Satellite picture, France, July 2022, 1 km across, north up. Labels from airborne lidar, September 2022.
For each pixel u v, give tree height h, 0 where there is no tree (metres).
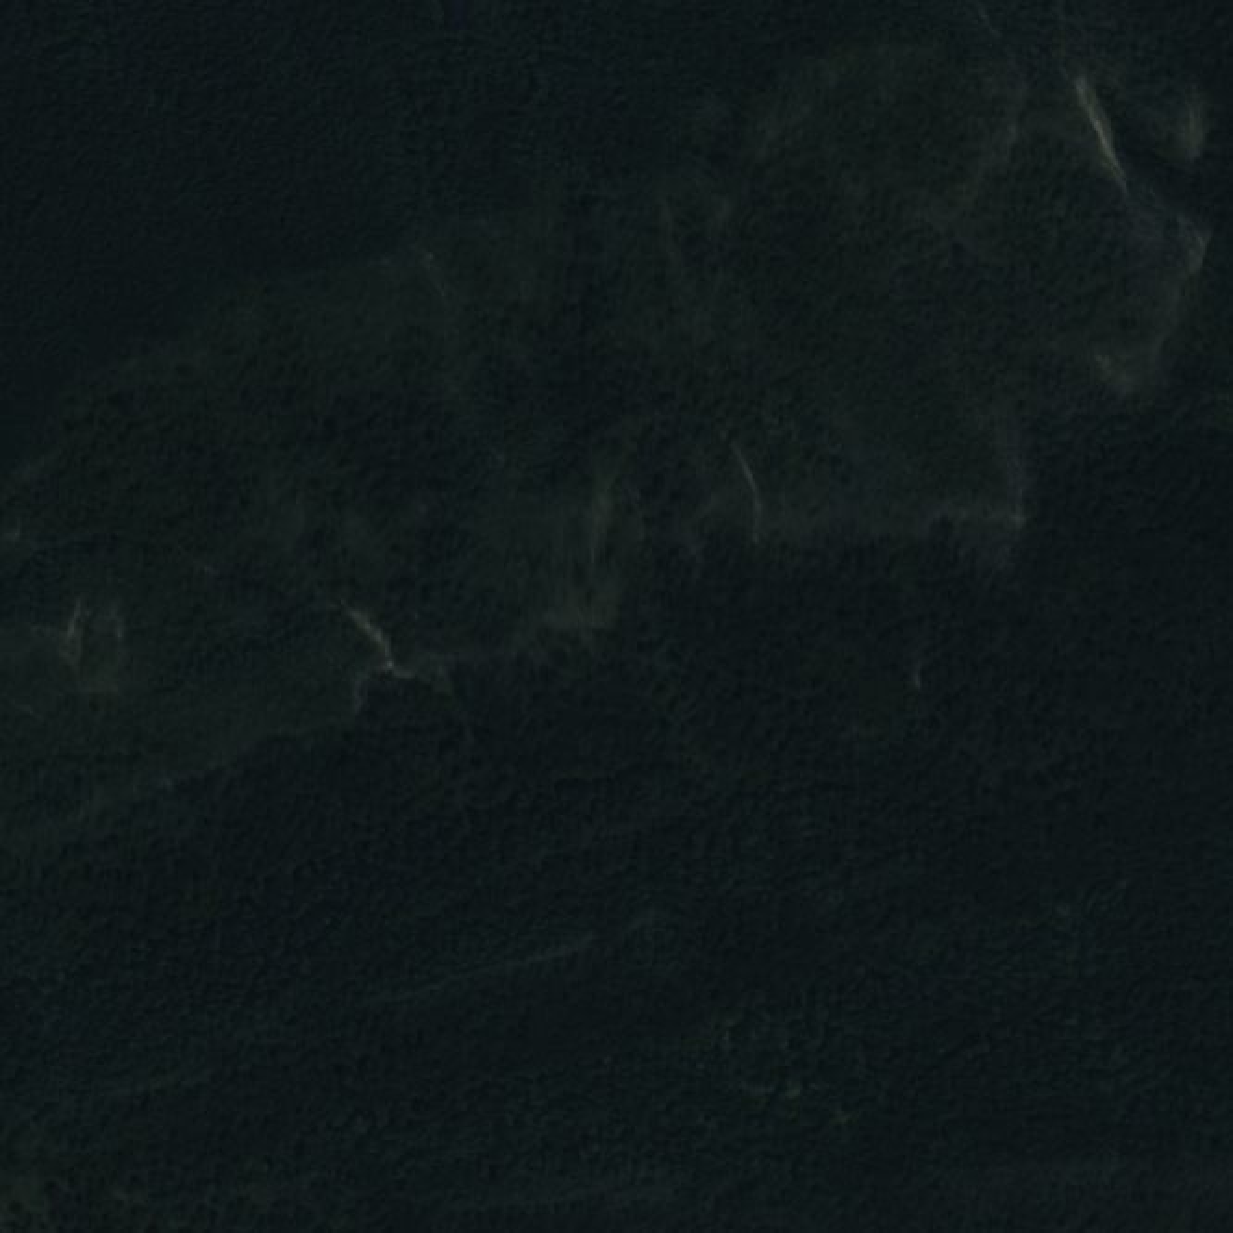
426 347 9
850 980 24
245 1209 19
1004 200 13
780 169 8
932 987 21
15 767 14
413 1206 20
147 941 27
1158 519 30
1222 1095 18
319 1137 31
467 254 11
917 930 10
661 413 8
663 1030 20
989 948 16
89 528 14
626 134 24
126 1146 19
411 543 8
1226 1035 17
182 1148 26
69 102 29
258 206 26
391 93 19
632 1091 21
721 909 19
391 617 17
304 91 22
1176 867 21
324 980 25
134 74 30
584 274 19
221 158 30
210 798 19
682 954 11
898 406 12
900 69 8
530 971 15
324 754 23
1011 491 19
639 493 8
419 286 10
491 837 27
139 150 24
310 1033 20
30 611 8
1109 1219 14
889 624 6
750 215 11
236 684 10
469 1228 23
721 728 15
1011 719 26
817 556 17
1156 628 18
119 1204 16
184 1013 28
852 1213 16
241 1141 28
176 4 28
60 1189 21
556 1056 23
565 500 11
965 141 10
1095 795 31
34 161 31
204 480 10
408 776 24
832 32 20
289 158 18
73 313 22
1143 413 7
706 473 7
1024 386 9
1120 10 14
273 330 10
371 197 19
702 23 24
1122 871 22
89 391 22
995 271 11
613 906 21
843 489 6
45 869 22
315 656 7
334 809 30
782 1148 19
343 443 21
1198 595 21
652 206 8
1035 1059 14
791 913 17
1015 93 7
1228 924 19
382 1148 16
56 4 27
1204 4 22
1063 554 24
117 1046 29
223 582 16
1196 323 13
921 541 17
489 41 20
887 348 11
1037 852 24
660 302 22
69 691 7
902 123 15
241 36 25
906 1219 21
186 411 13
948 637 26
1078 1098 20
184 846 24
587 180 11
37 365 24
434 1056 16
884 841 22
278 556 7
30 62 25
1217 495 30
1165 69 21
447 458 15
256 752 8
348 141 16
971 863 25
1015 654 18
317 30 24
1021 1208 15
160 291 22
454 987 18
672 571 23
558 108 31
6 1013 29
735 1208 14
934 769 26
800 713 24
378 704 22
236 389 12
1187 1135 6
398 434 16
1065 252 16
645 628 22
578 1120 16
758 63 18
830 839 13
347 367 13
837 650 11
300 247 16
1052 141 9
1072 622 17
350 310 5
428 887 25
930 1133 17
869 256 9
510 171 18
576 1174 9
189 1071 12
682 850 11
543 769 26
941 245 10
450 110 27
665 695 19
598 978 17
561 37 27
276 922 32
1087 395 8
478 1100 21
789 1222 13
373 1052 24
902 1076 23
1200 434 24
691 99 11
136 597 12
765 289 20
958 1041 20
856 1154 20
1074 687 18
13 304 23
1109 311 7
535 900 28
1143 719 25
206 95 29
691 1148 19
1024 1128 22
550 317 13
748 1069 23
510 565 9
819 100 10
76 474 14
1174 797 28
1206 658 31
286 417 11
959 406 9
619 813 18
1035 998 17
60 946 23
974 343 9
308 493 14
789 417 15
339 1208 21
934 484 5
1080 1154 7
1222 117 16
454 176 28
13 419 21
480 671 6
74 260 24
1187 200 19
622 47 22
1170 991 15
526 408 17
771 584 23
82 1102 14
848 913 25
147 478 15
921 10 22
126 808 12
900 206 7
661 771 25
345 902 22
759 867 14
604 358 19
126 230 25
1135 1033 30
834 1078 25
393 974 15
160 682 10
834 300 13
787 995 31
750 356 11
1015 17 8
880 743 15
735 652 26
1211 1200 15
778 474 7
